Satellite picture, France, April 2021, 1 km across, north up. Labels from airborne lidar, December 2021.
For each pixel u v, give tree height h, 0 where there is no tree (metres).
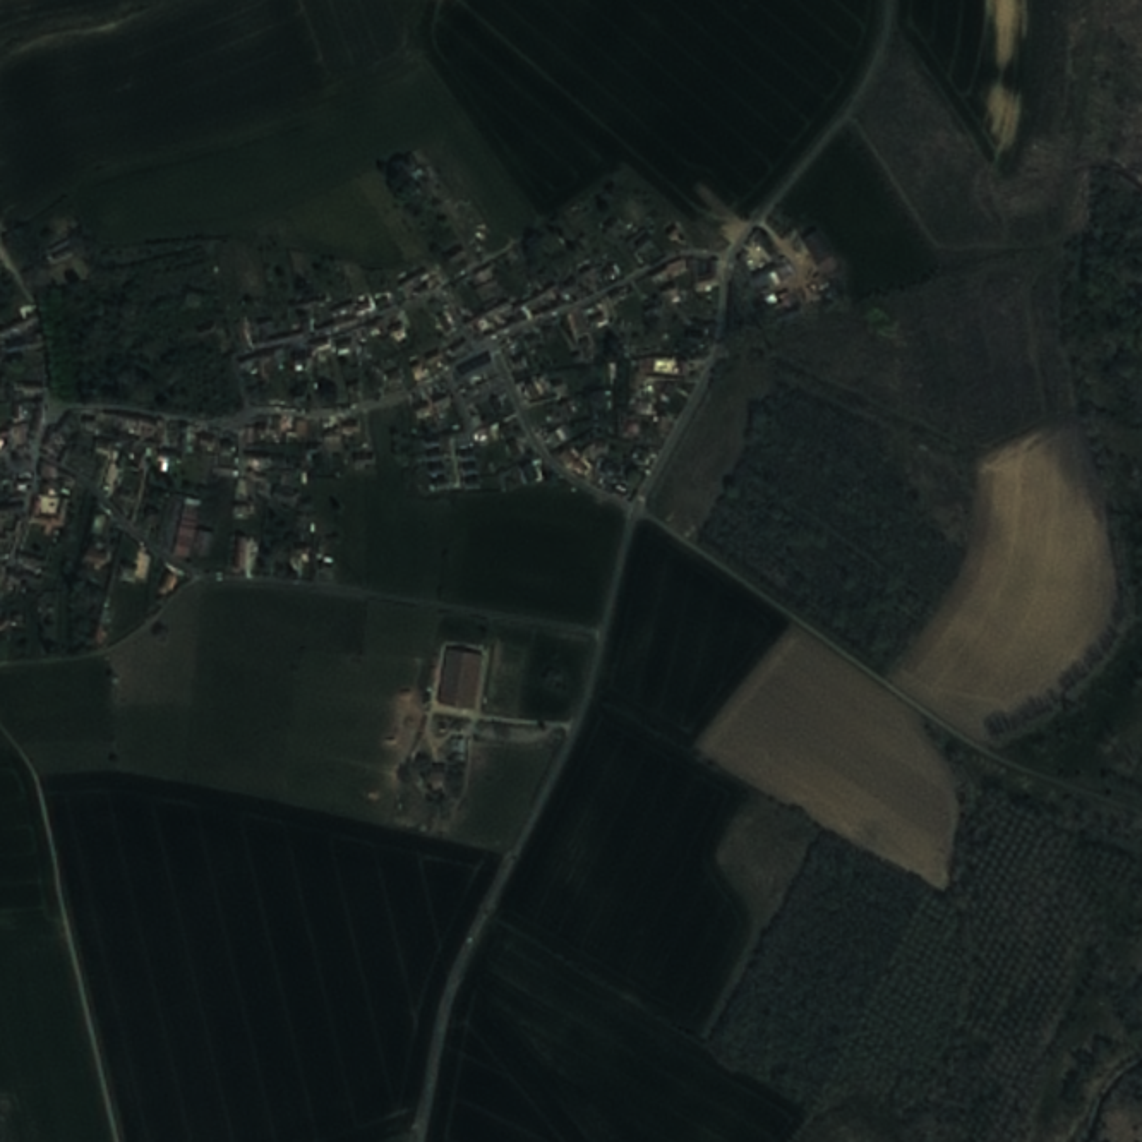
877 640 13
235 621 0
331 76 0
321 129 0
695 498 0
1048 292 0
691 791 0
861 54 0
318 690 0
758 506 10
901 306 0
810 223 0
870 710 0
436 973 0
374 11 0
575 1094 0
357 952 0
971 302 0
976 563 0
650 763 0
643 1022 0
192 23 0
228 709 0
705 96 0
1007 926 28
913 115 0
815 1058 13
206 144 0
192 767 0
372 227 0
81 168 0
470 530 0
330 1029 0
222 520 0
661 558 0
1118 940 13
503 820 0
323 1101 0
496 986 0
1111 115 0
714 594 0
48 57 0
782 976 14
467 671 0
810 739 0
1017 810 23
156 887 0
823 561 13
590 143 0
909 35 0
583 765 0
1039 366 0
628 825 0
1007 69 0
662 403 0
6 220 0
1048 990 26
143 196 0
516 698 0
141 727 0
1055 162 0
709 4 0
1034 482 0
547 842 0
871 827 0
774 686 0
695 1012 0
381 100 0
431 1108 0
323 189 0
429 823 0
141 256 8
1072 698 21
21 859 0
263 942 0
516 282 0
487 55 0
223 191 0
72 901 0
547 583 0
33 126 0
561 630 0
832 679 0
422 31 0
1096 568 0
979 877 23
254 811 0
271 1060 0
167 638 10
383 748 0
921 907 25
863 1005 14
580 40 0
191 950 0
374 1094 0
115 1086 0
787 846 0
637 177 0
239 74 0
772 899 0
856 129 0
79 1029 0
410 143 0
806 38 0
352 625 0
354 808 0
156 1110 0
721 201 0
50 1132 0
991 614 0
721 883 0
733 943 0
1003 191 0
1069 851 24
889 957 19
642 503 0
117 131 0
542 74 0
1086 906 19
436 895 0
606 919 0
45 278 23
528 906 0
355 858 0
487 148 0
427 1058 0
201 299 10
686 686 0
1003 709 0
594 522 0
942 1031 18
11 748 0
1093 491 0
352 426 0
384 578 0
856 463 15
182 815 0
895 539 17
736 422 0
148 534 0
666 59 0
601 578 0
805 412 17
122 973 0
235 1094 0
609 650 0
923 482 0
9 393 0
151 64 0
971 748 0
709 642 0
